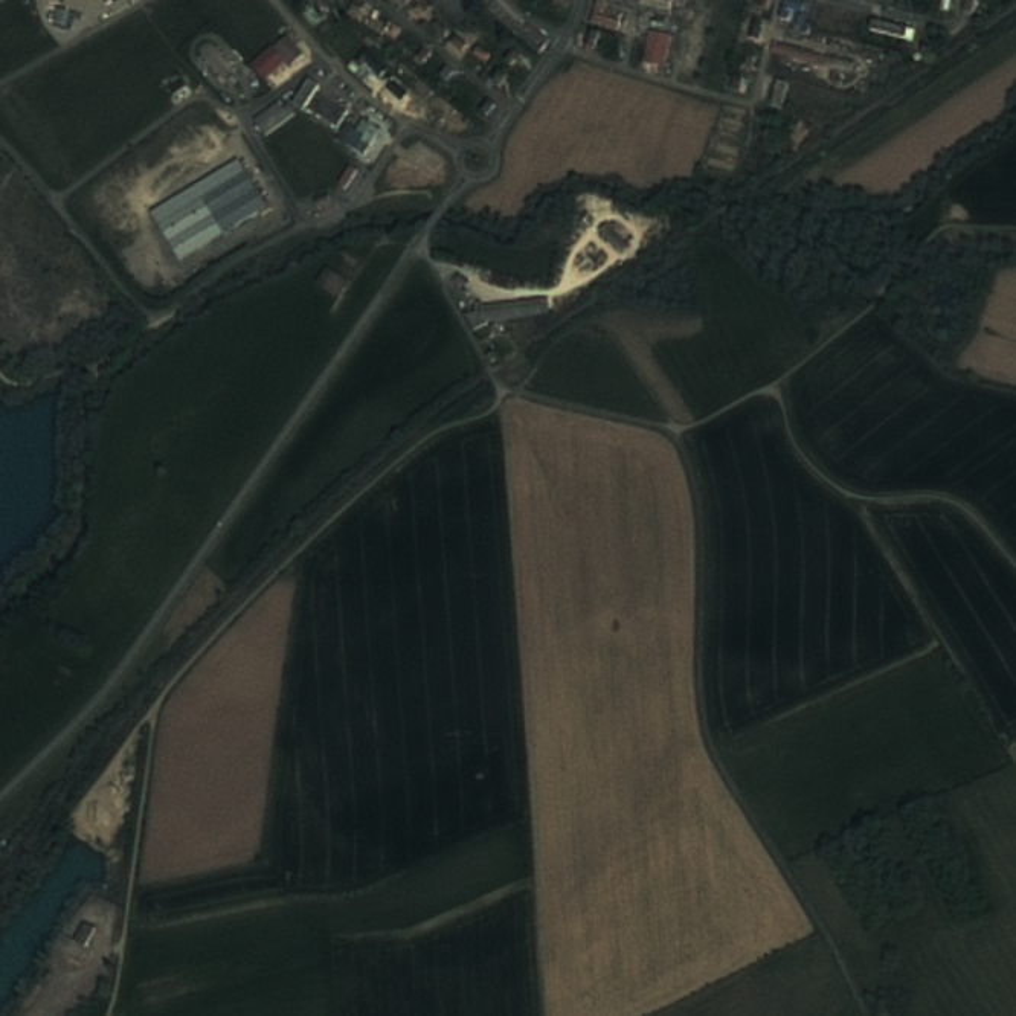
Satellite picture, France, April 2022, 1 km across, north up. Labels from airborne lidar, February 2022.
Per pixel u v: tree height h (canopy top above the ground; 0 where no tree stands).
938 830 16
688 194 9
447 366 0
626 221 0
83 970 0
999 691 0
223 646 0
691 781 0
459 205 0
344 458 0
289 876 0
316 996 0
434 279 0
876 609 0
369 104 0
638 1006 0
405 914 0
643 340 0
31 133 0
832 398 0
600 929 0
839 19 0
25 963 0
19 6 0
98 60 0
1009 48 0
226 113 0
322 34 0
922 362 0
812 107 0
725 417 0
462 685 0
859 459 0
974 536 0
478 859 0
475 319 0
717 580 0
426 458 0
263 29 0
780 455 0
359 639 0
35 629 0
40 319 0
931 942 0
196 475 0
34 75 0
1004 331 0
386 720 0
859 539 0
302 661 0
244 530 0
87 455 16
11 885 15
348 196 0
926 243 14
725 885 0
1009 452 0
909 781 0
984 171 0
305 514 6
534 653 0
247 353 0
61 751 0
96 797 0
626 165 0
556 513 0
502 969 0
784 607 0
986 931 0
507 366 0
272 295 0
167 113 0
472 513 0
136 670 0
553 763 0
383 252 0
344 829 0
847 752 0
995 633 0
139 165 0
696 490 0
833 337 0
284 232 0
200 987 0
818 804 0
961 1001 0
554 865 0
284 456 0
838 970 0
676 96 0
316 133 0
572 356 0
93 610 0
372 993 0
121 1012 0
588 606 0
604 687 0
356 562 0
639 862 0
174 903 0
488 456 0
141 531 0
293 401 0
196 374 0
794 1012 0
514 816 0
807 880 0
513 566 0
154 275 0
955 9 0
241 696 0
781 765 0
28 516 0
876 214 9
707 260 0
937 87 0
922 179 12
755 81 0
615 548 0
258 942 0
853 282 14
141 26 0
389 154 0
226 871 0
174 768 0
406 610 0
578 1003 0
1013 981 0
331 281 0
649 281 8
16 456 0
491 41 0
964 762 0
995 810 0
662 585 0
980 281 6
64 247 0
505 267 0
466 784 0
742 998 0
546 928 0
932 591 0
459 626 0
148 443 0
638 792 0
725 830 0
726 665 0
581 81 0
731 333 0
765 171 7
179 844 0
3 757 0
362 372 0
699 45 0
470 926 0
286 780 0
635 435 0
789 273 21
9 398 15
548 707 0
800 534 0
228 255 7
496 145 0
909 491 0
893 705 0
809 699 0
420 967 0
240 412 0
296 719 0
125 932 0
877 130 0
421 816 0
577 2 0
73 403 20
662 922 0
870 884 16
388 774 0
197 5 0
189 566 0
